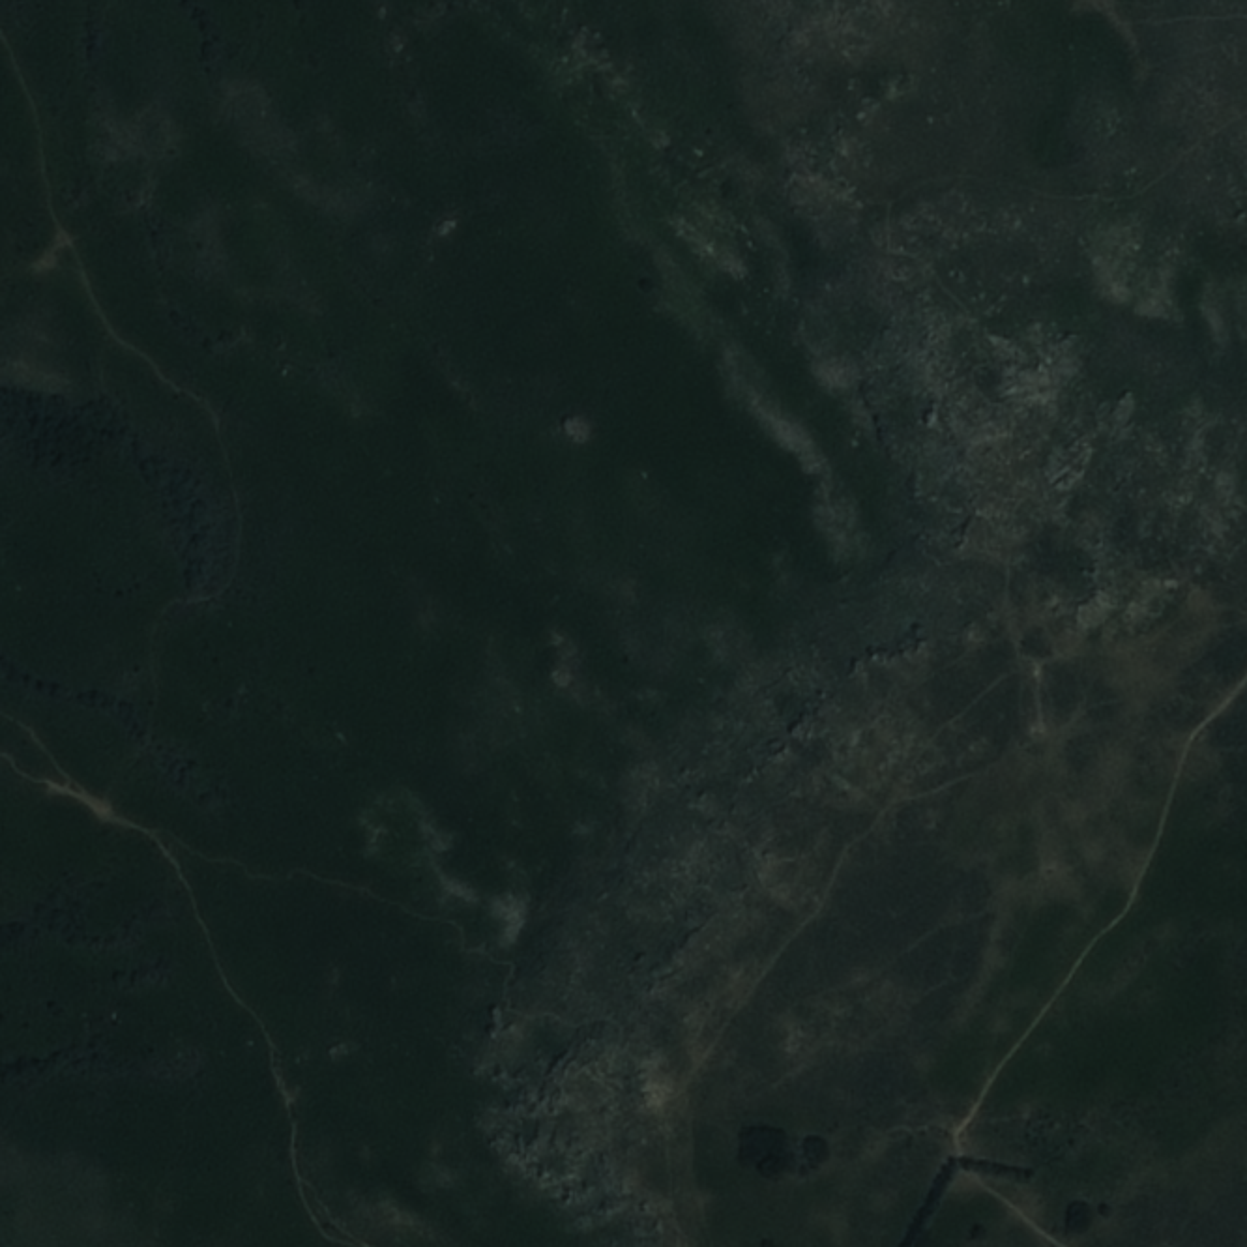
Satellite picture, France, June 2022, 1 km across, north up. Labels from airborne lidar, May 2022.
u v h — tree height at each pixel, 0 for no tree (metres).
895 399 0
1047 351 0
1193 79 0
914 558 0
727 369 0
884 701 0
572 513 0
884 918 0
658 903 0
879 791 0
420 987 0
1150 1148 0
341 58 0
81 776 0
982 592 0
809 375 0
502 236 0
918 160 0
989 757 0
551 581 0
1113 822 0
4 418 10
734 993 0
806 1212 0
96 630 0
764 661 0
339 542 0
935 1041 0
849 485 0
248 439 0
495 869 0
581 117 0
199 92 0
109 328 0
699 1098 0
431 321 0
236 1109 0
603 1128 0
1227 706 0
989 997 0
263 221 0
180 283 0
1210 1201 0
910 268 0
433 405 0
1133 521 0
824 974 0
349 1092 0
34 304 0
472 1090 0
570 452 0
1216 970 0
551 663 0
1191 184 0
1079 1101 0
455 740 0
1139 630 0
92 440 9
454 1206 0
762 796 0
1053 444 0
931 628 0
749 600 0
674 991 0
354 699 0
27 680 10
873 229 0
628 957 0
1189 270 0
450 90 0
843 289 0
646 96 0
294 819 0
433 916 0
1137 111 0
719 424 0
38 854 0
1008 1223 0
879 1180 0
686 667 0
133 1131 0
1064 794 0
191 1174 0
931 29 0
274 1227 0
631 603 0
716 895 0
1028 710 0
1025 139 0
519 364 0
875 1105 0
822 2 0
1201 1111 0
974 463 0
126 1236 0
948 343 0
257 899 0
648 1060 0
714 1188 0
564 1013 0
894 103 0
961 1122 0
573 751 0
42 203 0
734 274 0
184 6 6
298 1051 0
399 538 0
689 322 0
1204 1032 0
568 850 0
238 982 0
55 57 0
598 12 0
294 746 0
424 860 0
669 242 0
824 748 0
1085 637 0
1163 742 0
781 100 0
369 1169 0
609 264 0
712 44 0
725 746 0
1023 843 0
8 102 0
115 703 7
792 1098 0
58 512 0
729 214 0
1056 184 0
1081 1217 17
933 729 0
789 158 0
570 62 0
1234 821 0
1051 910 0
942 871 0
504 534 0
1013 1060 0
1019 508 0
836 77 0
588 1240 0
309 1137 0
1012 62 0
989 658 0
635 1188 0
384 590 0
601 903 0
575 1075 0
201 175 0
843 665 0
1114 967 0
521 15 0
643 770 0
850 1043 0
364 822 0
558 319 0
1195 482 0
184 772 10
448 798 0
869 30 0
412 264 0
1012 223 0
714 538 0
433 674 0
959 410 0
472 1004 0
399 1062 0
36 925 6
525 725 0
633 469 0
